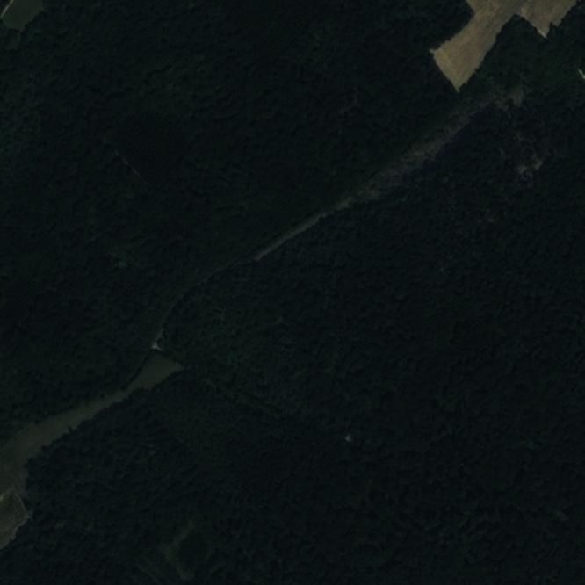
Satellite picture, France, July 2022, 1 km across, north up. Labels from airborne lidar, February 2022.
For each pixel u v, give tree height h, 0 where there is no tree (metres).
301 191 17
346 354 12
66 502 10
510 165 24
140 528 25
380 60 25
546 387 23
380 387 21
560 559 23
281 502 18
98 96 19
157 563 23
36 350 20
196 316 17
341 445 24
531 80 11
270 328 9
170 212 20
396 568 23
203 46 12
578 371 25
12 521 0
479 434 21
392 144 18
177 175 8
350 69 19
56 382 19
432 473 30
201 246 27
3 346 17
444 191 18
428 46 18
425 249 24
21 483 0
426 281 24
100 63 20
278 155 22
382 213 25
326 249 20
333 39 16
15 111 17
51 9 12
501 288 24
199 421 10
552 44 17
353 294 21
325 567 20
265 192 21
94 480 6
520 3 0
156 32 17
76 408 12
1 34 17
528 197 23
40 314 23
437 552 14
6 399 7
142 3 16
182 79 16
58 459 29
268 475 17
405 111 16
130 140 6
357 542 16
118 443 17
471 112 10
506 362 24
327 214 0
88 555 12
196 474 20
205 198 17
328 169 13
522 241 23
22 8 0
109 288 20
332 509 29
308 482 21
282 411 14
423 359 23
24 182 17
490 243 24
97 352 16
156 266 20
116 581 22
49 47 16
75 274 23
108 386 23
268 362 15
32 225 12
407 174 16
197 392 11
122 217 18
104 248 20
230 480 14
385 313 20
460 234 22
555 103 23
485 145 24
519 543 25
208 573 26
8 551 6
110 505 17
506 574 23
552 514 26
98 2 18
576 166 23
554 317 25
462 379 23
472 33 0
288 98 19
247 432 16
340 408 19
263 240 13
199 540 9
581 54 20
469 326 10
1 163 7
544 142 26
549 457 20
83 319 20
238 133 20
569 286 22
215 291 14
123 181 22
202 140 25
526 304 23
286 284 21
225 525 21
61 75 12
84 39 12
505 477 27
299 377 22
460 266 25
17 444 0
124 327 24
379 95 18
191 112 11
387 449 23
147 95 22
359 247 19
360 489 26
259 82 22
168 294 13
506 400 24
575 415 28
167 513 21
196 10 16
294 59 17
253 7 12
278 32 10
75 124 20
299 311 19
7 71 21
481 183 23
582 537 24
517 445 19
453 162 25
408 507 27
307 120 14
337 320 24
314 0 10
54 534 26
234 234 15
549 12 0
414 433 24
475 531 29
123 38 13
